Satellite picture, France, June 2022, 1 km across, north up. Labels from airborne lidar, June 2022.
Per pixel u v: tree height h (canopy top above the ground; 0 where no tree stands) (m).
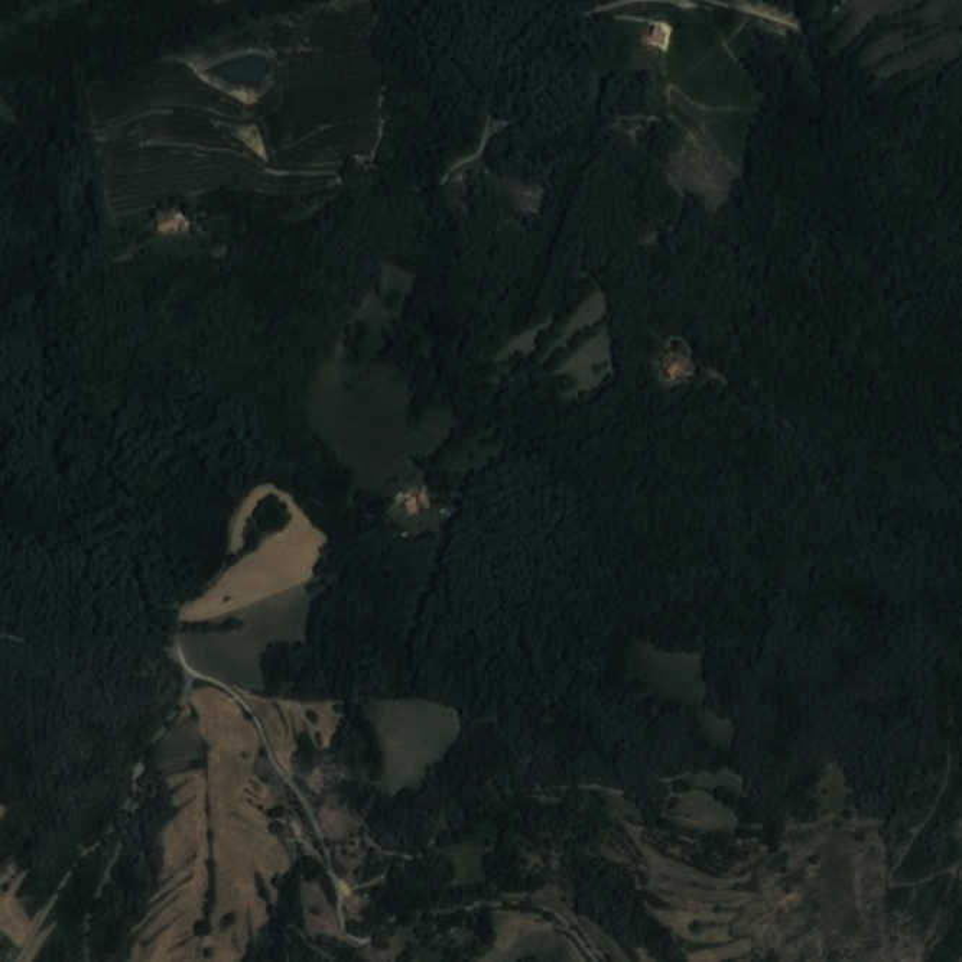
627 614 18
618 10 0
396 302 10
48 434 38
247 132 0
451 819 13
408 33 18
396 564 26
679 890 0
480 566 29
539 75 19
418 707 0
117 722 12
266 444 16
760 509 21
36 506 16
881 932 0
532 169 15
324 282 17
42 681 10
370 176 15
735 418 20
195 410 14
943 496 21
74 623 32
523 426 12
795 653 15
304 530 0
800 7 20
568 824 11
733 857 10
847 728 19
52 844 20
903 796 11
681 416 20
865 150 9
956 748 8
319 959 11
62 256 13
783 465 17
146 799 9
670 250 27
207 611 0
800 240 15
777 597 14
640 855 8
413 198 18
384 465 0
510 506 29
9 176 22
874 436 24
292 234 8
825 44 12
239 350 23
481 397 14
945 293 16
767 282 27
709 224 18
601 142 10
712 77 0
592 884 13
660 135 17
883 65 10
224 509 8
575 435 24
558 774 10
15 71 9
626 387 22
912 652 22
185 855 0
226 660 0
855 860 0
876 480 22
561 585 27
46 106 10
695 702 0
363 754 5
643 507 25
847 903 0
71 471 28
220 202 8
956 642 17
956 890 9
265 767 0
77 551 12
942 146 16
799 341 21
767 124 25
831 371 21
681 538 26
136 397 18
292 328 18
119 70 15
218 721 0
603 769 9
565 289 15
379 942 14
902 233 11
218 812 0
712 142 0
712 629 10
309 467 17
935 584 20
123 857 8
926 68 6
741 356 16
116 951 8
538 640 32
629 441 25
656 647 10
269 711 0
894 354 13
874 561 20
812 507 22
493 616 30
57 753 17
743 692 14
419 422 9
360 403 0
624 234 18
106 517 30
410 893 14
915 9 7
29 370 26
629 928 8
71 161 27
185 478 13
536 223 20
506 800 16
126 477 30
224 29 20
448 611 20
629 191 16
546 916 11
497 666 19
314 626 17
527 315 8
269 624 0
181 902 0
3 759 6
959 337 14
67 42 12
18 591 27
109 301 15
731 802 15
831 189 16
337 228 14
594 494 22
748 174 11
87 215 12
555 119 22
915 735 18
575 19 18
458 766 11
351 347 10
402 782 0
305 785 0
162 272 13
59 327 14
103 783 17
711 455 15
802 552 19
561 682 26
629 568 19
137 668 6
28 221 30
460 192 0
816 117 19
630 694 13
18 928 0
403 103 17
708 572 19
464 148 18
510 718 15
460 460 0
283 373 19
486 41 15
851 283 17
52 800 17
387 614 25
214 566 10
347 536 14
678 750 17
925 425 19
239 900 0
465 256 22
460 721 6
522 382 16
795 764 16
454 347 26
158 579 23
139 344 18
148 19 6
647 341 12
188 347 22
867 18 0
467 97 26
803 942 0
